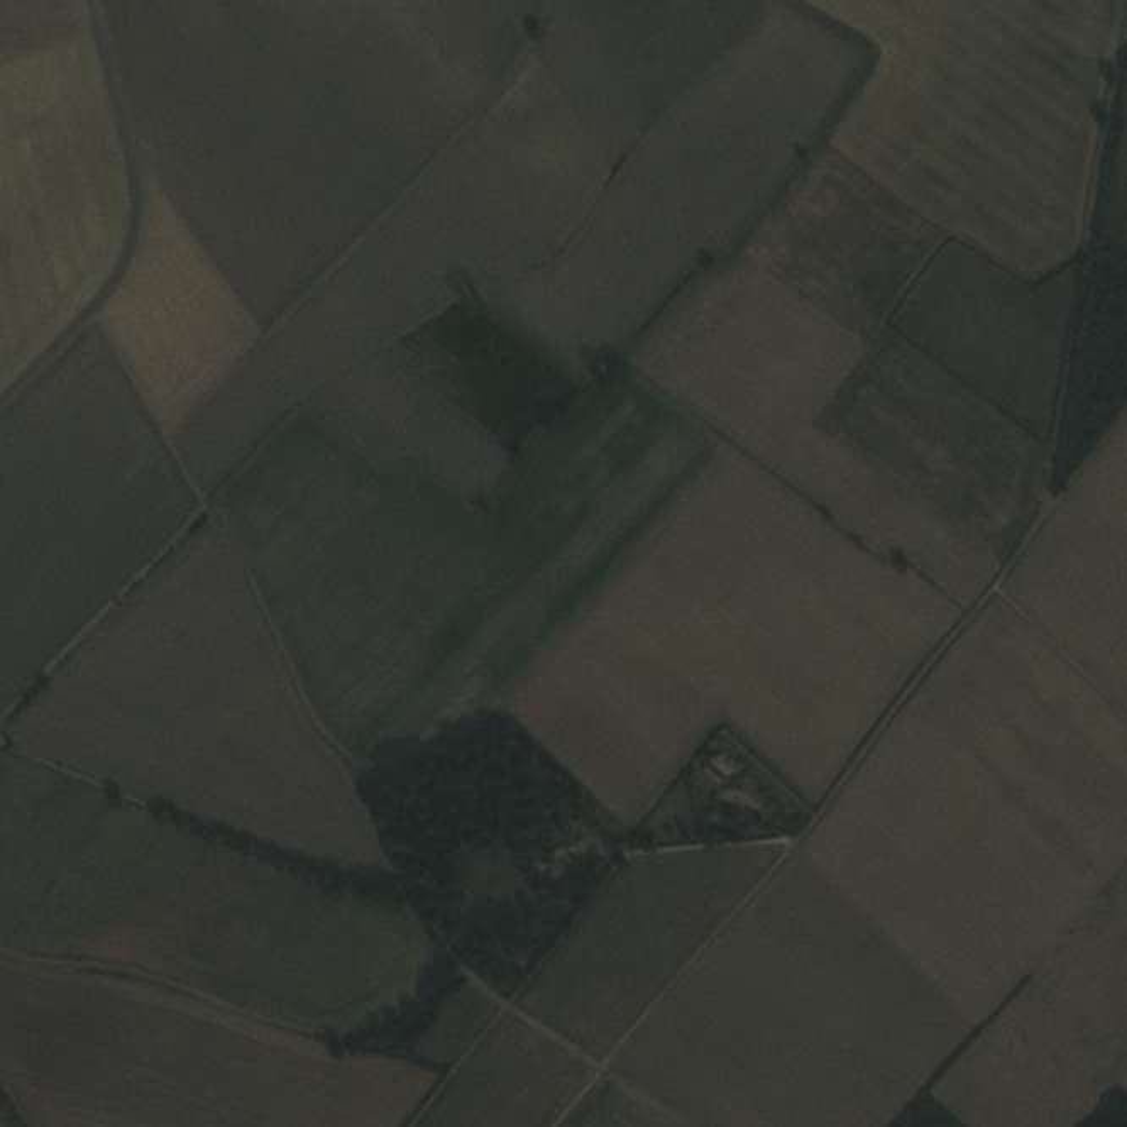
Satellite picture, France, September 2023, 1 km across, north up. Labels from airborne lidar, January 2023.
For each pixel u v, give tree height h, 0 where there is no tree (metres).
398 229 0
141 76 0
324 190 0
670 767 0
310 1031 0
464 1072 0
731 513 0
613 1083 0
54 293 0
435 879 15
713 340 0
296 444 0
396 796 18
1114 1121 13
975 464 0
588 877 16
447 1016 0
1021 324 0
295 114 0
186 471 0
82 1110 0
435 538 0
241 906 0
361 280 0
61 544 0
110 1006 0
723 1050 0
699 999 0
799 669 0
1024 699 0
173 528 0
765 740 0
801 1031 0
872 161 0
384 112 0
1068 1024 0
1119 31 0
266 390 0
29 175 0
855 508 0
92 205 0
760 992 0
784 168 0
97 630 0
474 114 0
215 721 0
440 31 0
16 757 0
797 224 0
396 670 0
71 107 0
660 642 0
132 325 0
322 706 0
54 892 0
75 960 0
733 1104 0
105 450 0
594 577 0
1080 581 0
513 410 0
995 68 0
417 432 0
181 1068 0
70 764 0
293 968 0
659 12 0
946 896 0
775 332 0
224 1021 0
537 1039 0
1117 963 0
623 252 0
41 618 0
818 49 0
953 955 0
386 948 0
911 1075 0
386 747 0
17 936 0
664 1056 0
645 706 0
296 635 0
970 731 0
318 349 0
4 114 0
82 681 0
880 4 0
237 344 0
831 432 0
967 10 0
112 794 15
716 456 0
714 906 0
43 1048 0
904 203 0
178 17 0
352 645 0
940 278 0
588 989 0
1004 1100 0
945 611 0
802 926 0
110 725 0
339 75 0
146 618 0
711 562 0
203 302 0
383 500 0
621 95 0
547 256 0
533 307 0
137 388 0
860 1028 0
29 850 0
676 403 0
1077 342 8
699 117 0
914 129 0
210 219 0
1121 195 0
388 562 0
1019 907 0
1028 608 0
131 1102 0
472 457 0
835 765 0
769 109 0
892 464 0
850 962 0
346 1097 0
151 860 0
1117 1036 0
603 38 0
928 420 0
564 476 0
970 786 0
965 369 0
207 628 0
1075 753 0
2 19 0
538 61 0
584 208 0
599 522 0
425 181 0
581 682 0
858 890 0
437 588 0
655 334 0
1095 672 0
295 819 0
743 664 0
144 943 0
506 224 0
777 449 0
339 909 0
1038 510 0
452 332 0
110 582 0
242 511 0
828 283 0
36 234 0
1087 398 6
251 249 0
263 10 0
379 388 0
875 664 0
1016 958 0
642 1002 0
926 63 0
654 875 0
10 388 0
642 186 0
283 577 0
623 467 0
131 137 0
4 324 0
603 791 0
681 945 0
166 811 8
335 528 0
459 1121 0
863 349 0
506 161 0
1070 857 0
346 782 0
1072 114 0
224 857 0
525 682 0
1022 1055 0
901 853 0
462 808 26
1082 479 0
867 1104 0
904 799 0
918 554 0
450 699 0
